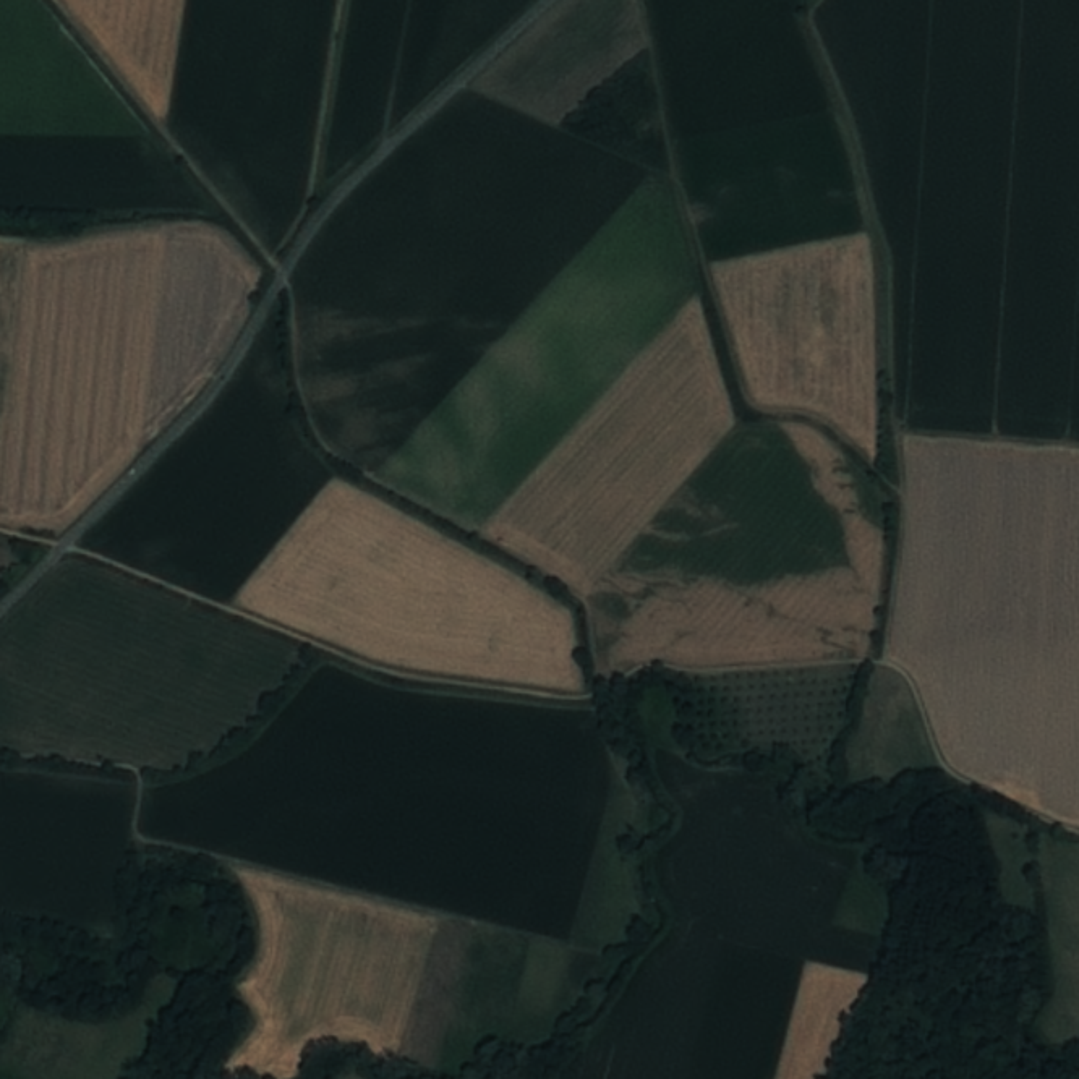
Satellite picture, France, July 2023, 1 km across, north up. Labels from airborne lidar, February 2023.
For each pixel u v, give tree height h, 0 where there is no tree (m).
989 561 0
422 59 0
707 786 0
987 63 0
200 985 21
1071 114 0
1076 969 0
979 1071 27
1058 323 0
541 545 0
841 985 0
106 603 0
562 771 0
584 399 0
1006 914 19
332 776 0
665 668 12
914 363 0
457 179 0
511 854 0
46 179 0
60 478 0
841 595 0
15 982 38
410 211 0
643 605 0
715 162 0
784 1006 0
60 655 0
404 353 0
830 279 0
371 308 0
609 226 0
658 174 0
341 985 0
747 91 0
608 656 0
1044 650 0
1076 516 0
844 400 0
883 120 0
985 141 0
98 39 0
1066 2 0
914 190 0
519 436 0
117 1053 0
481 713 0
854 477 0
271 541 0
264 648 0
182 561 0
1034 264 0
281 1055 0
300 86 0
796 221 0
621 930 0
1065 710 0
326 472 0
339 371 0
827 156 0
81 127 0
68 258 0
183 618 0
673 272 0
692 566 0
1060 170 0
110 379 0
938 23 0
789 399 0
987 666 0
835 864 0
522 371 0
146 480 0
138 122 0
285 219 0
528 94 0
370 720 0
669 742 0
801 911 0
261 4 0
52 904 0
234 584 0
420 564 0
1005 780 0
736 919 0
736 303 0
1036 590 0
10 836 0
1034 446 0
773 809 0
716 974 0
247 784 0
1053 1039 0
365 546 0
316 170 0
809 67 0
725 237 0
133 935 7
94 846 0
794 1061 0
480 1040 0
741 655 0
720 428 0
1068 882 0
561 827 0
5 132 0
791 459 0
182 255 0
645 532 0
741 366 0
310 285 0
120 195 0
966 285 0
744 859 0
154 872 8
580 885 0
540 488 0
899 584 0
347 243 0
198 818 0
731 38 0
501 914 0
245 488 0
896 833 26
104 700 0
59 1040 0
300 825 0
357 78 0
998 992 25
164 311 0
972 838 34
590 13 0
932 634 0
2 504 0
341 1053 17
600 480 0
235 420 0
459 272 0
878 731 0
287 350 13
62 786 0
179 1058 17
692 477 0
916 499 0
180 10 0
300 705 0
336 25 0
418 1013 0
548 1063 13
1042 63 0
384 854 0
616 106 7
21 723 0
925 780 19
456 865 0
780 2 0
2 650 0
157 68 0
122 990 10
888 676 0
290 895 0
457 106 0
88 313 0
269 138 0
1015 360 0
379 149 0
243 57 0
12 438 0
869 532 0
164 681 0
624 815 0
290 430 0
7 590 12
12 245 0
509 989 0
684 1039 0
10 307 0
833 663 0
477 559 0
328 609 0
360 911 0
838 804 18
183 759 0
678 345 0
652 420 0
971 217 0
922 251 0
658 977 0
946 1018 24
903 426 0
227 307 0
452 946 0
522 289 0
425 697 0
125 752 0
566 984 0
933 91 0
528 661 0
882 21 0
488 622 0
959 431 0
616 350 0
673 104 0
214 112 0
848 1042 15
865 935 0
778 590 0
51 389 0
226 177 0
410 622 0
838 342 0
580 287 0
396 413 0
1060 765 0
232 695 0
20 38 0
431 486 0
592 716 0
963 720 0
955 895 30
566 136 0
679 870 0
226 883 7
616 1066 0
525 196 0
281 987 0
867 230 0
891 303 0
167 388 0
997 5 0
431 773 0
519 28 0
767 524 0
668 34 0
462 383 0
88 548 0
